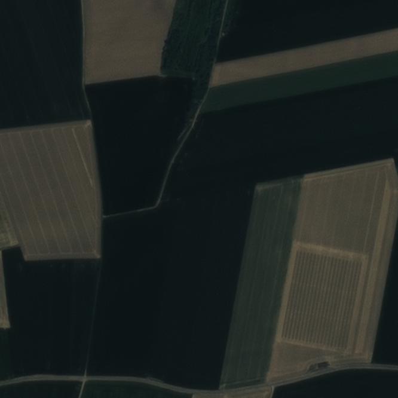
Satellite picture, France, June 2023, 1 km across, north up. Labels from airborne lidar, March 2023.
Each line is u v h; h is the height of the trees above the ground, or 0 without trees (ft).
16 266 0
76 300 0
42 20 0
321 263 0
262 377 0
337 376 0
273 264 0
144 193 0
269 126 0
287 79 0
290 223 0
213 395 0
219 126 0
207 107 0
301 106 0
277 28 0
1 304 0
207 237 0
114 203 0
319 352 0
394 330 0
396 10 0
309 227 0
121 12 0
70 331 0
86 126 0
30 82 0
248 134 0
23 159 0
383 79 0
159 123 0
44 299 0
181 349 0
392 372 0
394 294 0
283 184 0
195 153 0
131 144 0
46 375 0
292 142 0
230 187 0
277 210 0
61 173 0
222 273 0
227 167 0
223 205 0
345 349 0
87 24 0
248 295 0
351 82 0
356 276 0
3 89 0
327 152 0
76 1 0
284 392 0
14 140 0
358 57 0
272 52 0
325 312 0
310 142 0
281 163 0
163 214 0
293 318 0
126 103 0
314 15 0
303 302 0
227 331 0
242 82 0
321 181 0
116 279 0
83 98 0
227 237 0
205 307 0
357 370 0
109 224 0
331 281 0
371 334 0
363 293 0
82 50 0
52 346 0
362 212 0
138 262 0
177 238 0
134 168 0
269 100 0
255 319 0
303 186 0
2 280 0
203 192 0
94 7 0
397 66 0
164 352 0
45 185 0
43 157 0
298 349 0
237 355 0
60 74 0
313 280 0
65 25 0
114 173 0
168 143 0
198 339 0
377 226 0
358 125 0
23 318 0
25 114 0
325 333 0
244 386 0
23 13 0
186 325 0
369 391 0
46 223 0
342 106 0
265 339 0
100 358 0
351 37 0
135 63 0
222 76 0
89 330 0
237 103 0
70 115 0
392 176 0
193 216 0
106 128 0
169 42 43
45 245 0
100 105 0
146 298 0
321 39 0
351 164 0
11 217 0
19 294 0
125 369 0
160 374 0
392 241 0
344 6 0
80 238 0
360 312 0
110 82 0
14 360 0
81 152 0
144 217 0
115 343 0
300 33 0
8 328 0
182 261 0
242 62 0
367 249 0
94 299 0
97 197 0
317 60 0
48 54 0
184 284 0
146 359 0
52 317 0
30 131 0
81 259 0
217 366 0
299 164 0
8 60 0
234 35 0
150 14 0
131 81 0
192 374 0
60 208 0
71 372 0
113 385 0
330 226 0
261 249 0
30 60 0
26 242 0
